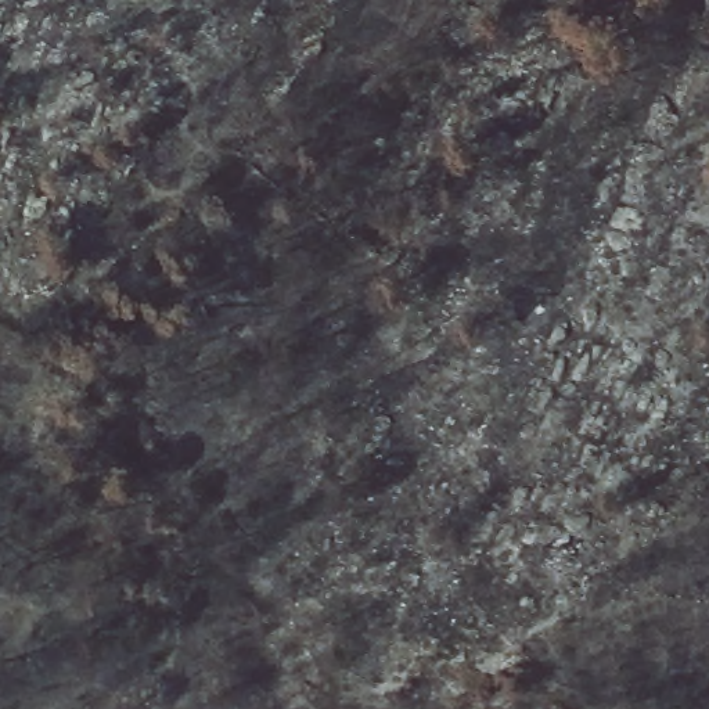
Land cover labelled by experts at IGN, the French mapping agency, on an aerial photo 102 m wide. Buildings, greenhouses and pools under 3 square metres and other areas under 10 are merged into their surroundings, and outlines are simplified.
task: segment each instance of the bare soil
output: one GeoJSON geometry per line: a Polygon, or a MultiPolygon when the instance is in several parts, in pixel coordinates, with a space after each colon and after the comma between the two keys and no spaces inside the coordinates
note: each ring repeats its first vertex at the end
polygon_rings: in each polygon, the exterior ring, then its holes
{"type": "Polygon", "coordinates": [[[709,709],[709,0],[0,0],[0,709],[709,709]]]}

